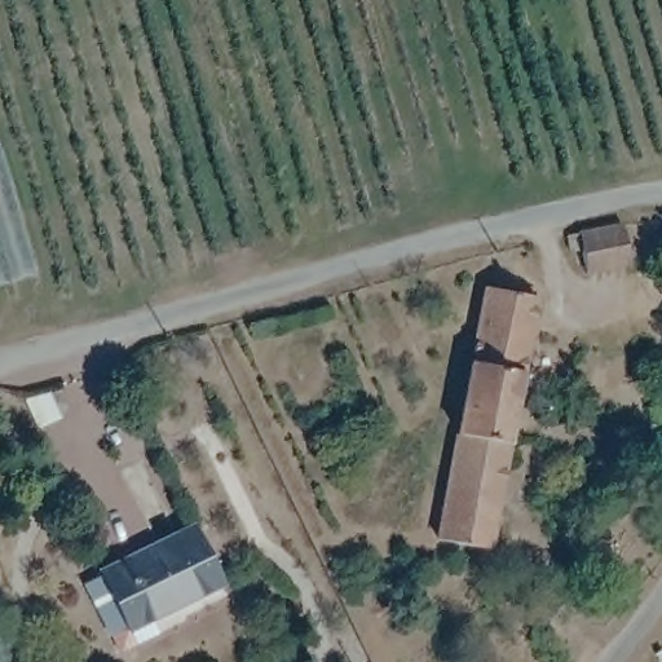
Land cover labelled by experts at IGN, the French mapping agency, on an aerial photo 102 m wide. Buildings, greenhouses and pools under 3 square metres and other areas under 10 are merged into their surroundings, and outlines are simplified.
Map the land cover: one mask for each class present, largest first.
<instances>
[{"label":"herbaceous vegetation","instance_id":"1","mask_svg":"<svg viewBox=\"0 0 662 662\"><path fill-rule=\"evenodd\" d=\"M171 5L176 8L178 23L189 36L191 57L202 75L204 106L212 119V134L217 137L215 150L222 160L225 176L230 178L240 238L233 240L222 253L209 251L204 238L191 248L181 246L178 233L173 228V212L166 197V186L160 181V160L150 140L147 111L137 98L129 101L124 109L129 114V132L134 137L137 155L145 166L147 189L155 199L158 225L166 240L168 259H158L155 253V243L147 230V217L140 202L137 178L132 176V168L124 155L119 122L111 114L101 119V127L106 132L111 160L119 173V186L124 191L132 235L140 246V264L132 266L129 251L122 240V225L114 199L98 204V217L111 238L109 246H98L91 225L88 202L78 181L67 189H57V199L47 207L41 204V209L36 212L34 207L23 209L39 264V277L23 279L21 284L0 287V347L23 344L34 336H44L72 326L119 318L147 305L171 303L194 292L220 290L259 274L323 261L339 253L359 251L403 235H416L450 222L478 220L520 207H533L626 184H662V153L649 140L641 101L628 72L626 52L610 16V5L605 0H603L597 5V16L610 49V59L615 65V78L626 101L631 132L641 150V158H631L621 137L608 78L597 54V44L592 39L587 5L582 0H522L520 23L528 28L533 39V59L538 54H546L543 26H548L564 62V85L571 103L561 106L559 98L548 101L551 119L561 132L566 158V171H559L553 160L551 137L540 122L530 127V134L540 158L530 163L517 119L494 122L476 47L463 18V5L458 0H344L339 5L341 28L349 39L354 67L359 70V91L370 116L367 122H359V116L354 119L341 114L357 178L362 184L367 204V209L359 215L354 202L357 194L349 184L336 127L326 106V88L313 54V44L303 23V10L295 0H282L279 5L284 8L290 34L300 47V59L305 65V85L310 88L308 96L313 114H305L297 93L290 98V119L297 129V145L303 155V168L308 173V184L313 189V202H303L297 197L274 202L259 137L253 134L243 85L220 18V5L215 0H173ZM574 52L584 54L587 72L600 85L597 98H582ZM326 178H334V181H336V191H339V199H341V207H344V220H336V215H334V209H331V199H328V191H326ZM618 222H623L628 233L623 246L636 248V269L662 287V204H639L618 209L615 215L610 212L577 220L566 225L561 233L564 261L574 272H579L577 233ZM489 287H499L525 292L533 300L530 310L540 313L551 305L543 256L533 240H525L520 235L509 240H486L478 246H463L442 253L401 259L385 269L359 272L326 282L315 290V297L243 313L246 326L266 318L315 310L323 305H328L334 315L326 323L295 328L282 336H251L248 347L253 352L256 367H248V359L230 331L233 315L209 318L204 323V334L194 341H186L184 352L168 354L160 378L163 411L158 419V432L163 447L168 450L181 440H194V427L209 422L204 396L197 388V378L207 380L217 390L240 437L243 458L235 463L256 517L313 584V597L300 605L318 634V644L308 649L313 657L310 662H440L432 654V636L427 631H416L414 626L406 634L393 631L388 626V610L378 603L372 592H365L362 605H352L344 595H339L326 571L323 548L341 546L362 535L378 551V556H388L390 535H401L409 546L437 548L442 559L455 551L458 546L453 543H437L434 530L442 522L453 450L463 422L468 380L473 367L484 292ZM442 297L450 303L442 326H429L424 318L416 315V310L427 300ZM344 349L354 359L362 390L357 393L354 403L331 401V414L326 419H318L305 432L290 416L282 424L274 422L272 409L261 396V388L256 385V375H264V380L269 383H287L295 393V401H318L321 390L328 383V359H334ZM380 349L393 357H411L416 380L424 383V396L419 401H406V396L398 390L396 375L390 370L375 367V354ZM383 401L390 406L396 424L380 442V450L367 460V478L357 486H344L341 491L331 484L323 486V497L334 517L339 520V528L331 530L326 520L318 515L313 491L305 484L292 455V447H300V458L310 453V440L321 434L336 437L339 427L347 419L370 414ZM626 321L613 323L608 328L584 331L579 339L569 328H559L556 334H538L533 352L522 357L525 372L533 375L540 367H553L559 362V354L569 352L571 344H584V359L579 370L587 375L590 385L600 393V398L605 403L613 401L618 406H636L644 416H649V401H641V390L634 380L639 378L641 359L662 365V303L646 321H641L634 313V305H626ZM528 432L546 434L561 442H574L571 432L564 424L548 427L535 422ZM530 468V445L517 440L512 460L502 468V473H509V497L504 499L499 538L538 546L540 561H553L561 569L577 561V548L582 546V540L569 538H553L548 543V538L543 535L540 512H530L522 497ZM184 489L197 502L199 528L207 543L222 551L225 543L246 538L243 525L238 522L228 530H217L209 520V507L228 502L225 486L204 463L197 471H178ZM610 548L623 561L641 559V584L644 579H654L662 587V551L641 540L631 517H621L613 522ZM47 530L39 522L28 525L16 535H5L0 525V597H49L72 628H80L83 636H96L93 646L98 652L111 654L122 662H235L233 613L228 597L222 603L202 608L184 623L168 628L166 634L145 644H137L132 631L103 628L98 623L96 600L85 597L83 592V571L75 561L65 559L62 551L47 546ZM468 577L445 574L437 584L427 587L429 600L445 597L453 603L455 610H478V597L465 584ZM628 615H582L577 608L561 605L551 621V628L561 639V646L569 652L571 662H603L623 639L621 626ZM489 644L497 654V662H538L528 646V639L512 644L504 641L499 631H494L489 636Z\"/></svg>","mask_w":662,"mask_h":662},{"label":"deciduous trees","instance_id":"2","mask_svg":"<svg viewBox=\"0 0 662 662\"><path fill-rule=\"evenodd\" d=\"M173 0H0V287L21 284L23 279L39 277V264L23 209L34 207L36 212L41 209V204L47 207L57 199V189H67L78 181L88 202L91 225L98 246H109L111 238L98 217V204L114 199L122 225V240L129 251L132 266L140 264V246L132 235L124 191L119 186V173L111 160L106 132L101 127V119L111 114L119 122L124 155L132 168V176L137 178L140 202L147 217V230L155 243V253L158 259H168L166 240L158 225L155 199L147 189L145 166L137 155L134 137L129 132V114L124 109L129 101L137 98L147 111L150 140L160 160V181L166 186V197L173 212V228L178 233L181 246L191 248L204 238L209 251L222 253L233 240L240 238L230 178L225 176L222 160L215 150L217 137L212 134V119L204 106L202 75L191 57L189 36L178 23L176 8L171 5ZM220 5V18L243 85L253 134L259 137L274 202L297 197L303 202H313V189L308 184V173L303 168V155L297 145V129L290 119V98L297 93L305 114H313L308 96L310 88L305 85V65L300 59V47L290 34L284 8L279 5L282 0H215ZM303 10V23L313 44V54L326 88V106L336 127L349 184L357 194L354 202L359 215L367 209V204L362 184L357 178L341 114L354 119L359 116V122H367L370 116L359 91V70L354 67L349 39L341 28L339 5L344 0H295ZM463 5V18L476 47L494 122L517 119L530 163L540 158L530 134V127L540 122L551 137L553 160L559 171H566V158L561 132L551 119L548 101L559 98L561 106L571 103L564 85V62L548 26H543L546 54H538L533 59V39L528 28L520 23L522 0H458ZM587 5L592 39L597 44V54L608 78L621 137L631 158H641V150L631 132L626 101L615 78V65L610 59V49L597 16V5L603 0H582ZM610 5V16L626 52L628 72L641 101L649 140L662 153V0H605ZM582 98H597L600 85L587 72L584 54L574 52ZM326 191H328V199H331V209H334V215H336V220H344V207H341V199H339V191H336V181H334V178H326ZM450 303L442 297L427 300L416 310V315L424 318L429 326H442ZM186 341L171 328L163 334L145 336L129 347L111 341L98 344L88 352L83 372V388L93 406L103 411V419L109 424H116L122 432L142 440L147 458L150 468L160 476L171 515H178L184 525L199 528L197 502L184 489L178 471L168 450L163 447L158 432V419L163 411L160 378L168 354L184 352ZM584 359V344H571L569 352L559 354V362L553 367H540L533 375L525 396V409L535 422L548 427L564 424L571 432L574 442H561L546 434L528 432H520L517 440L530 445V468L522 497L530 512H540L543 535L548 538V543L553 538H569L582 540V546L577 548V561L561 569L553 561H540L538 546L499 538L491 548H471L468 553L455 551L442 559L437 548L409 546L401 535H390L388 556H378V551L362 535L341 546L323 548L326 571L339 595H344L352 605H362L365 592H372L378 603L388 610V626L393 631L406 634L414 626L416 631H427L432 636V654L440 662H497V654L489 644V636L494 631H499L504 641L512 644L528 639V646L538 662H571L569 652L561 646V639L551 628V621L561 605L577 608L582 615H628L641 603V559L623 561L610 548L613 522L621 517H631L641 540L662 551V365L641 359L639 378L634 380L641 390V401H649V416H644L636 406H618L613 401L605 403L600 398V393L590 385L587 375L579 370ZM445 574L468 577L465 584L478 597V610H455L453 603L445 597L429 600L427 587L437 584ZM362 390L354 359L344 349L334 359H328V383L321 390L318 401H295L284 406L290 416L305 432L318 419H326L331 414V401L354 403L357 393ZM375 367L390 370L396 375L398 390L406 396V401H419L424 396V383L416 380L411 357H393L380 349L375 354ZM197 388L204 396L209 422L215 434L230 445L235 463L243 458L240 437L217 390L207 380L197 378ZM396 424L390 406L383 401L370 414L347 419L339 427L336 437L321 434L310 440V453L321 460V465L326 468V478L331 484L341 491L344 486H357L367 478V460L380 450V442ZM39 522L47 530V546L62 551L65 559L75 561L83 571L106 559L111 548L103 533V525L111 522L109 509L75 471H67L57 463L54 450L41 429L36 427L28 411L0 406V525L5 535H16L28 525ZM228 592V597L233 613L235 662H310L313 657L308 649L318 644V634L300 605V592L295 582L272 559L261 553L256 543L246 538L225 543L222 551ZM96 636H83L80 628H72L49 597H0V662H122L111 654L98 652L93 646Z\"/></svg>","mask_w":662,"mask_h":662},{"label":"impervious surface","instance_id":"3","mask_svg":"<svg viewBox=\"0 0 662 662\"><path fill-rule=\"evenodd\" d=\"M639 204H662V184H626L533 207H520L478 220L450 222L416 235H403L359 251L339 253L323 261L259 274L220 290L194 292L171 303L147 305L119 318L72 326L44 336H34L23 344L0 347V383L26 385L47 378H62L65 372H83L88 352L98 344L111 341L129 347L145 336L163 334L171 328L186 341H194L204 334V323L209 318L233 315L243 313L315 297V290L326 282L359 272L385 269L401 259L442 253L463 246H478L486 240H509L520 235V228H538L543 222H551L561 233L566 225L577 220L610 212L615 215L618 209ZM36 427L41 429L47 424L59 422L62 416L52 393L31 396L28 411ZM194 440L202 450L204 463L225 486L228 502L238 522L243 525L246 538L256 543L261 553L272 559L295 582L300 592V605L313 597V584L256 517L235 463L230 445L215 434L209 422L194 427ZM124 481L150 522L158 515H171L160 476L150 468L147 458L140 465L124 468ZM623 639L603 662H623V657L631 649L646 652L662 639V587L654 579H644L641 584V603L628 615L621 626ZM228 597V592L215 590L209 595H202L199 600L132 631L137 644H145L166 634L168 628L184 623L202 608L222 603Z\"/></svg>","mask_w":662,"mask_h":662},{"label":"building","instance_id":"4","mask_svg":"<svg viewBox=\"0 0 662 662\"><path fill-rule=\"evenodd\" d=\"M628 233L623 222H618L577 233L579 272H590L595 279H600L626 277L636 269V248L623 246ZM533 300L525 292L499 287H489L484 292L473 367L468 380L463 422L453 450L442 522L434 530L437 543H453L458 546L455 551L468 553L471 548H491L499 538L504 499L509 497V473H502V468L512 460L517 440L520 432H528L535 422L525 409V396L533 375L525 372L522 357L533 352L538 334L533 328L540 313L530 310ZM83 592L85 597L96 600L98 623L103 628L132 631L199 600L202 595H209L215 590L228 592L222 551L207 543L199 528L184 525L127 553L124 559H106L83 571Z\"/></svg>","mask_w":662,"mask_h":662},{"label":"pervious surface","instance_id":"5","mask_svg":"<svg viewBox=\"0 0 662 662\"><path fill-rule=\"evenodd\" d=\"M520 235L525 240H533L543 256L551 305L540 313L533 328L538 334H556L559 328H569L579 339L584 331L608 328L613 323L626 321V305H634V313L641 321H646L662 303V287L636 269L626 277L600 279H595L590 272H574L564 261L561 233L551 222H543L538 228H520ZM62 416L59 422L47 424L41 429L54 450L57 463L67 471H75L109 509L111 522L103 525V533L111 548L106 559H124L127 553L184 525L178 515H158L150 522L124 481V468L140 465L147 458L142 440L122 432L116 424H109L103 419V411L93 406L83 388V372H65L62 378V388L52 393Z\"/></svg>","mask_w":662,"mask_h":662},{"label":"brushwood","instance_id":"6","mask_svg":"<svg viewBox=\"0 0 662 662\"><path fill-rule=\"evenodd\" d=\"M334 315L328 305H323L315 310L266 318L246 326L243 313L233 315L230 331L248 359V367H256L253 352L248 347L251 336H282L295 328L326 323ZM256 385L261 388V396L272 409L274 422L282 424L290 416L284 406L295 401V393L287 383H269L264 380V375H256ZM62 388V378H47L26 385L0 383V406L28 411L31 396L52 393ZM178 471H197L204 463L202 450L194 440H181L168 450ZM292 455L305 484L313 491L318 515L326 520L331 530L339 528V520L334 517L323 497V486L331 484L326 478V468L321 465V460L310 453L300 458V447H292ZM209 520L217 530H228L238 522L228 502L209 507Z\"/></svg>","mask_w":662,"mask_h":662},{"label":"agricultural land","instance_id":"7","mask_svg":"<svg viewBox=\"0 0 662 662\"><path fill-rule=\"evenodd\" d=\"M623 662H662V639L646 652L631 649L623 657Z\"/></svg>","mask_w":662,"mask_h":662}]
</instances>
